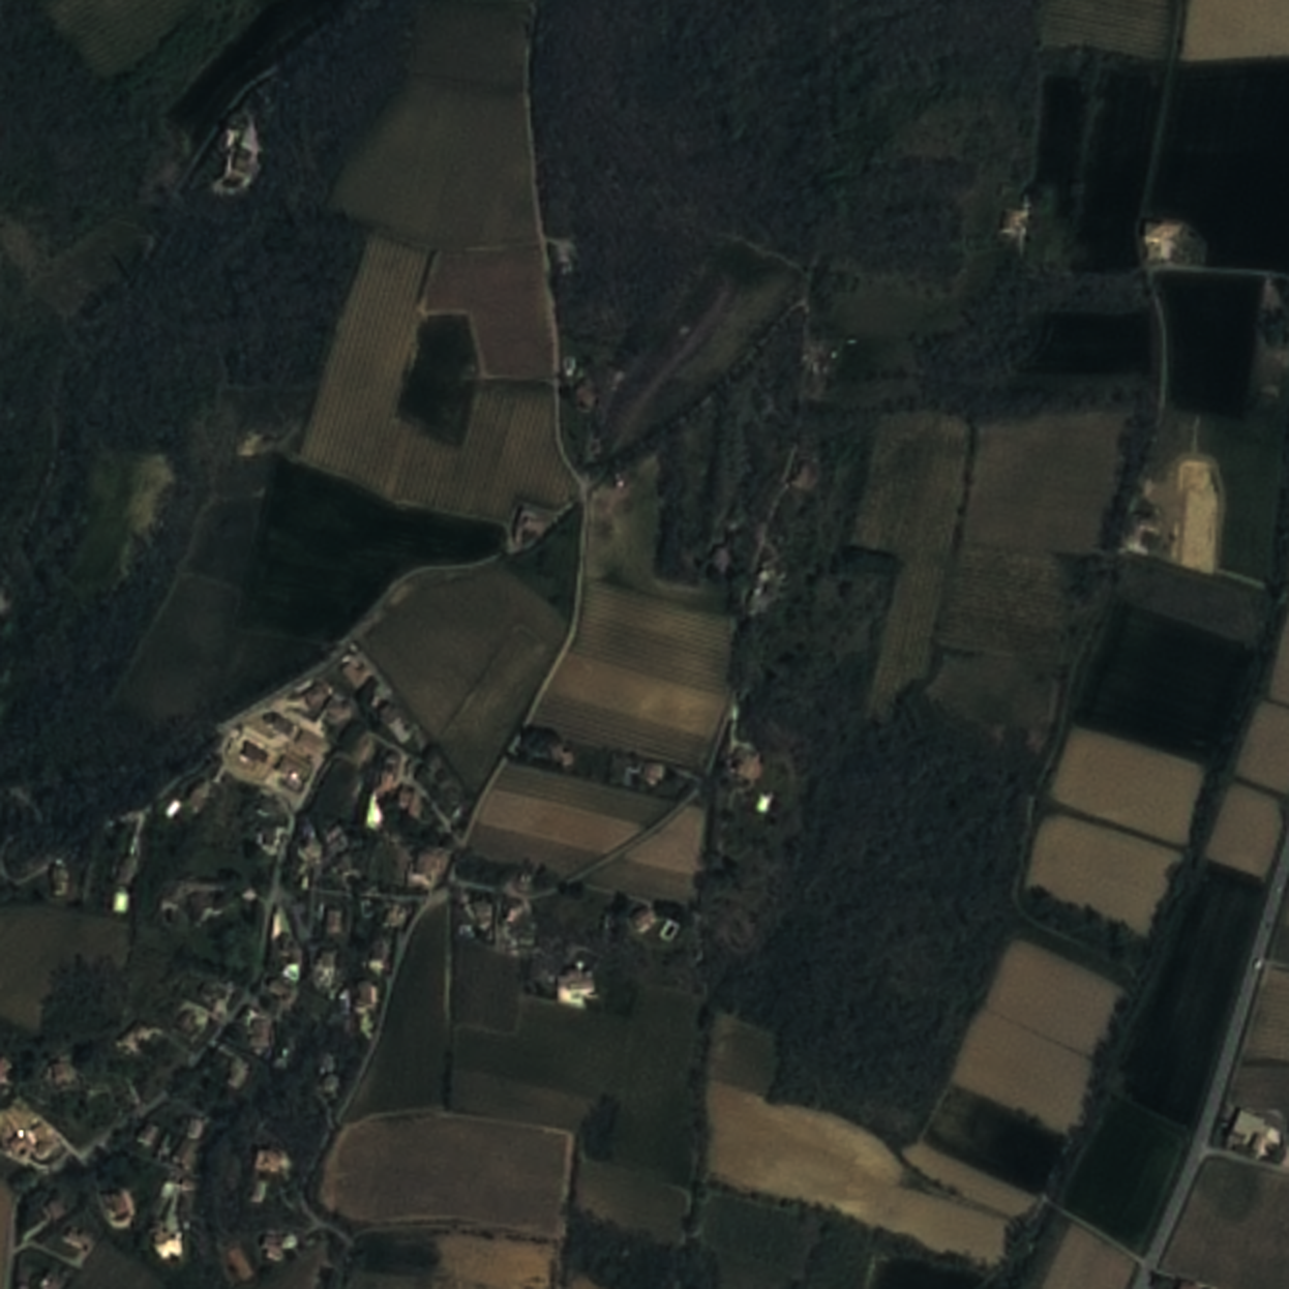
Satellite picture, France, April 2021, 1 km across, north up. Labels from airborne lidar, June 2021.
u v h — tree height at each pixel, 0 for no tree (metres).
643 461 11
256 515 0
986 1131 0
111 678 14
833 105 8
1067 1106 0
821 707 18
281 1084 17
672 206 19
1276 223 0
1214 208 0
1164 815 0
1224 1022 0
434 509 0
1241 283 0
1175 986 0
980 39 18
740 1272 0
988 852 15
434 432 0
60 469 26
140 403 19
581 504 10
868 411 8
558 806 0
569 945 14
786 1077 7
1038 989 0
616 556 0
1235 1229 0
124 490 0
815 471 11
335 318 14
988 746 8
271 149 22
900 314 0
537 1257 0
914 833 13
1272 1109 0
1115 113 0
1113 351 0
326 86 17
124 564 0
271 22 0
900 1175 0
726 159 18
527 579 0
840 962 18
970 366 15
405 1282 0
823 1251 10
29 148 13
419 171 0
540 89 11
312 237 21
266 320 16
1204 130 0
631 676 0
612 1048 0
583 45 18
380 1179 0
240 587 0
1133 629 0
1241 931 0
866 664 7
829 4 20
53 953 0
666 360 0
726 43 22
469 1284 0
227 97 0
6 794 26
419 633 0
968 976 14
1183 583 0
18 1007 0
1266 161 0
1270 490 0
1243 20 0
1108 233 0
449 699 0
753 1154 0
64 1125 6
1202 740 0
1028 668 0
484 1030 0
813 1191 0
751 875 11
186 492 15
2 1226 0
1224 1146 7
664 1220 0
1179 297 0
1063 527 0
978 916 21
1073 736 0
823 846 15
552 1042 0
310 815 8
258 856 18
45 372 18
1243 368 0
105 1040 8
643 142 19
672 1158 0
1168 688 0
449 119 0
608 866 0
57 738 8
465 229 0
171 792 6
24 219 12
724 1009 8
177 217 26
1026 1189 0
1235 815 0
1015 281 19
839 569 12
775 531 12
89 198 18
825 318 12
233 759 0
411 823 12
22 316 7
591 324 9
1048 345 0
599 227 19
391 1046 0
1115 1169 0
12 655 19
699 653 0
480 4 0
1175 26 0
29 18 17
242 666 0
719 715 0
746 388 11
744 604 10
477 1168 0
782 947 12
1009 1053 0
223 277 10
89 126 17
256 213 13
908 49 15
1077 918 8
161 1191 0
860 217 16
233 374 10
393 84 12
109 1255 0
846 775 22
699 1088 14
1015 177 7
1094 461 0
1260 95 0
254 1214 12
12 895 8
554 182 14
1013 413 16
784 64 19
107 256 0
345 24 21
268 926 0
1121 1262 0
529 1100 0
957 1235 0
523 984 10
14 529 17
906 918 16
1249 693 6
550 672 0
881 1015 18
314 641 0
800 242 24
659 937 0
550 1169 0
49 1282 0
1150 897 0
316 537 0
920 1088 11
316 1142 15
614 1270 10
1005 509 0
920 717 6
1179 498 0
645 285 20
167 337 12
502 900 14
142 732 15
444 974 0
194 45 7
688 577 13
